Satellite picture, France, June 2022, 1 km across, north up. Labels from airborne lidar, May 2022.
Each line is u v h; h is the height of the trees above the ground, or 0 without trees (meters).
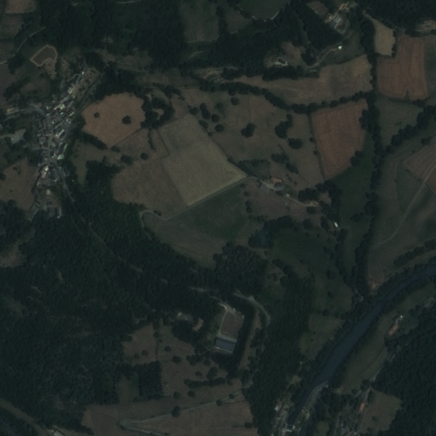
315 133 0
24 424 11
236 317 0
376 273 0
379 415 0
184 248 0
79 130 7
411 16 10
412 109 0
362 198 0
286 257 0
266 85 0
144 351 8
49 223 13
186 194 0
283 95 0
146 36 17
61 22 10
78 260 18
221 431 0
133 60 0
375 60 13
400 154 0
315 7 0
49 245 15
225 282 12
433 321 9
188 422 0
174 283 17
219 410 0
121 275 19
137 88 11
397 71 0
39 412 8
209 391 0
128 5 7
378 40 0
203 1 0
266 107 0
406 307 0
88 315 13
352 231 0
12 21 0
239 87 23
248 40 17
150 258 11
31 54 0
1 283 12
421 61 0
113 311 12
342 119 0
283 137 24
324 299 0
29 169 0
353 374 0
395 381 18
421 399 16
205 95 0
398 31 7
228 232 0
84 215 17
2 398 7
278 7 0
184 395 0
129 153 0
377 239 0
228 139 0
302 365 7
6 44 0
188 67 15
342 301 0
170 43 17
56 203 0
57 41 12
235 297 7
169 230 0
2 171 0
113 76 18
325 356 26
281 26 19
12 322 8
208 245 0
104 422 0
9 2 0
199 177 0
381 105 0
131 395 0
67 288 10
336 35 16
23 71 0
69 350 14
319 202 5
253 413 12
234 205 0
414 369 13
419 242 0
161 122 15
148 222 0
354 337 0
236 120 0
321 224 8
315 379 0
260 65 22
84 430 13
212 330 6
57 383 15
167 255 16
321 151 0
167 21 10
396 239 0
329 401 16
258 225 0
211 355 9
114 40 8
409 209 0
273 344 12
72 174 7
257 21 15
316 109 20
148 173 0
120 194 0
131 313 11
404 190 0
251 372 11
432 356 12
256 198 0
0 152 0
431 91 0
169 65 15
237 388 0
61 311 8
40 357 9
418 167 0
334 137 0
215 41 6
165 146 0
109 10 13
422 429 13
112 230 12
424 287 32
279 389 13
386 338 10
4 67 0
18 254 0
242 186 10
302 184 0
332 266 0
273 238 19
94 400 16
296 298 9
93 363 9
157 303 15
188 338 11
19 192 0
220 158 0
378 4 19
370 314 0
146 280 14
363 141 0
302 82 0
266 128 0
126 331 18
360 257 21
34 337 13
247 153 0
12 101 6
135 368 12
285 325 9
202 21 0
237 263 12
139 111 0
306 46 9
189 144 0
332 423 6
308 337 0
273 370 12
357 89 0
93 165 21
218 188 0
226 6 0
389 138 0
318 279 0
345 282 19
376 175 18
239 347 13
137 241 17
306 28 23
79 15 7
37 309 11
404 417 12
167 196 0
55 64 7
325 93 0
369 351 0
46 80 0
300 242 0
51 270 10
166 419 0
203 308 11
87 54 13
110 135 0
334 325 0
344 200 0
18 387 16
